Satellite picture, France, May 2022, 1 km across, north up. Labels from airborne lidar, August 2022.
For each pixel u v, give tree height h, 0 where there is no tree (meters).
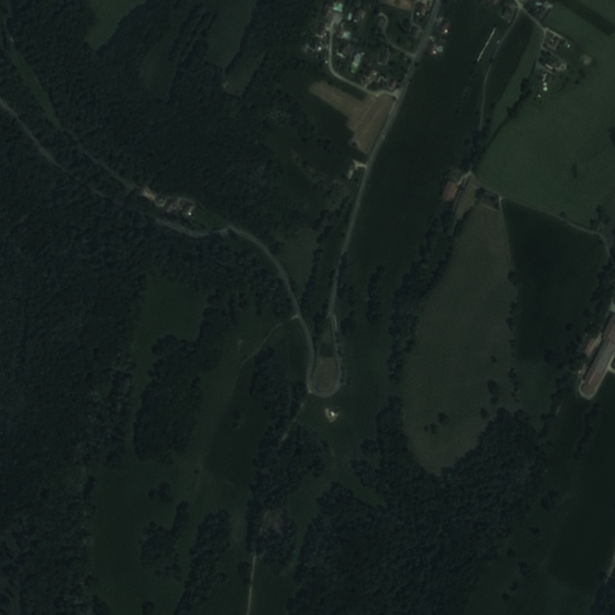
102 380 26
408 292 22
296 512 0
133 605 0
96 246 29
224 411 0
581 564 0
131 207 20
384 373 0
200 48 18
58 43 19
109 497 0
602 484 0
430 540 26
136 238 27
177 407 19
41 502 25
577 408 0
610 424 0
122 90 18
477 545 23
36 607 27
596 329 15
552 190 0
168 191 20
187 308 0
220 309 26
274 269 0
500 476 25
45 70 18
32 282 24
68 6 21
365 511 21
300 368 0
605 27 0
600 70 0
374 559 23
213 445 0
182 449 24
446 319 0
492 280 0
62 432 24
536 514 0
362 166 0
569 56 0
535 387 0
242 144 18
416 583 17
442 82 0
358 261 0
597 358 0
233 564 0
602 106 0
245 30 0
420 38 0
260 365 23
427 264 7
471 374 0
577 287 0
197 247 9
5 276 24
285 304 13
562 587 0
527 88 10
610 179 0
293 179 0
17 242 18
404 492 25
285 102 23
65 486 27
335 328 0
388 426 15
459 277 0
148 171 23
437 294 0
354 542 25
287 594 0
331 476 0
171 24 6
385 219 0
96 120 17
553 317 0
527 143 0
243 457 0
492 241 0
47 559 28
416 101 0
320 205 0
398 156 0
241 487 0
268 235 8
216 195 18
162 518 0
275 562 21
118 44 21
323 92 0
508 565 0
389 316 0
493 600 0
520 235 0
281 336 0
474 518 25
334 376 0
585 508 0
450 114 0
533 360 0
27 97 27
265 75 15
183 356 22
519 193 0
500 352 0
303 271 0
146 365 0
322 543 30
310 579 21
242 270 21
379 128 0
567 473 0
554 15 0
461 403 0
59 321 23
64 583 35
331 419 0
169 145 16
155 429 26
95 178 24
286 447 21
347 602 23
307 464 12
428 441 0
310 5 20
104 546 0
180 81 16
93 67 22
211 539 28
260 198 21
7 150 7
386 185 0
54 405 18
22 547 23
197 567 28
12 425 24
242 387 0
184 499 0
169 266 23
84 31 17
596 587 0
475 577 22
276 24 17
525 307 0
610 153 0
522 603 0
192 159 21
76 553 32
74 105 15
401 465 19
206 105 19
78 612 28
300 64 17
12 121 17
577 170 0
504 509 23
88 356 22
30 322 21
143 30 20
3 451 21
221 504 0
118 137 19
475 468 24
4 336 22
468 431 0
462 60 0
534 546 0
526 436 20
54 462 23
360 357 0
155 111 19
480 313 0
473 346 0
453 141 0
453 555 24
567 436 0
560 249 0
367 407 0
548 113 0
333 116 0
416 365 0
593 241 0
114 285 22
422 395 0
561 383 15
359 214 0
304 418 0
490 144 0
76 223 24
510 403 0
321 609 14
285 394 26
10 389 20
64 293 23
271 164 19
